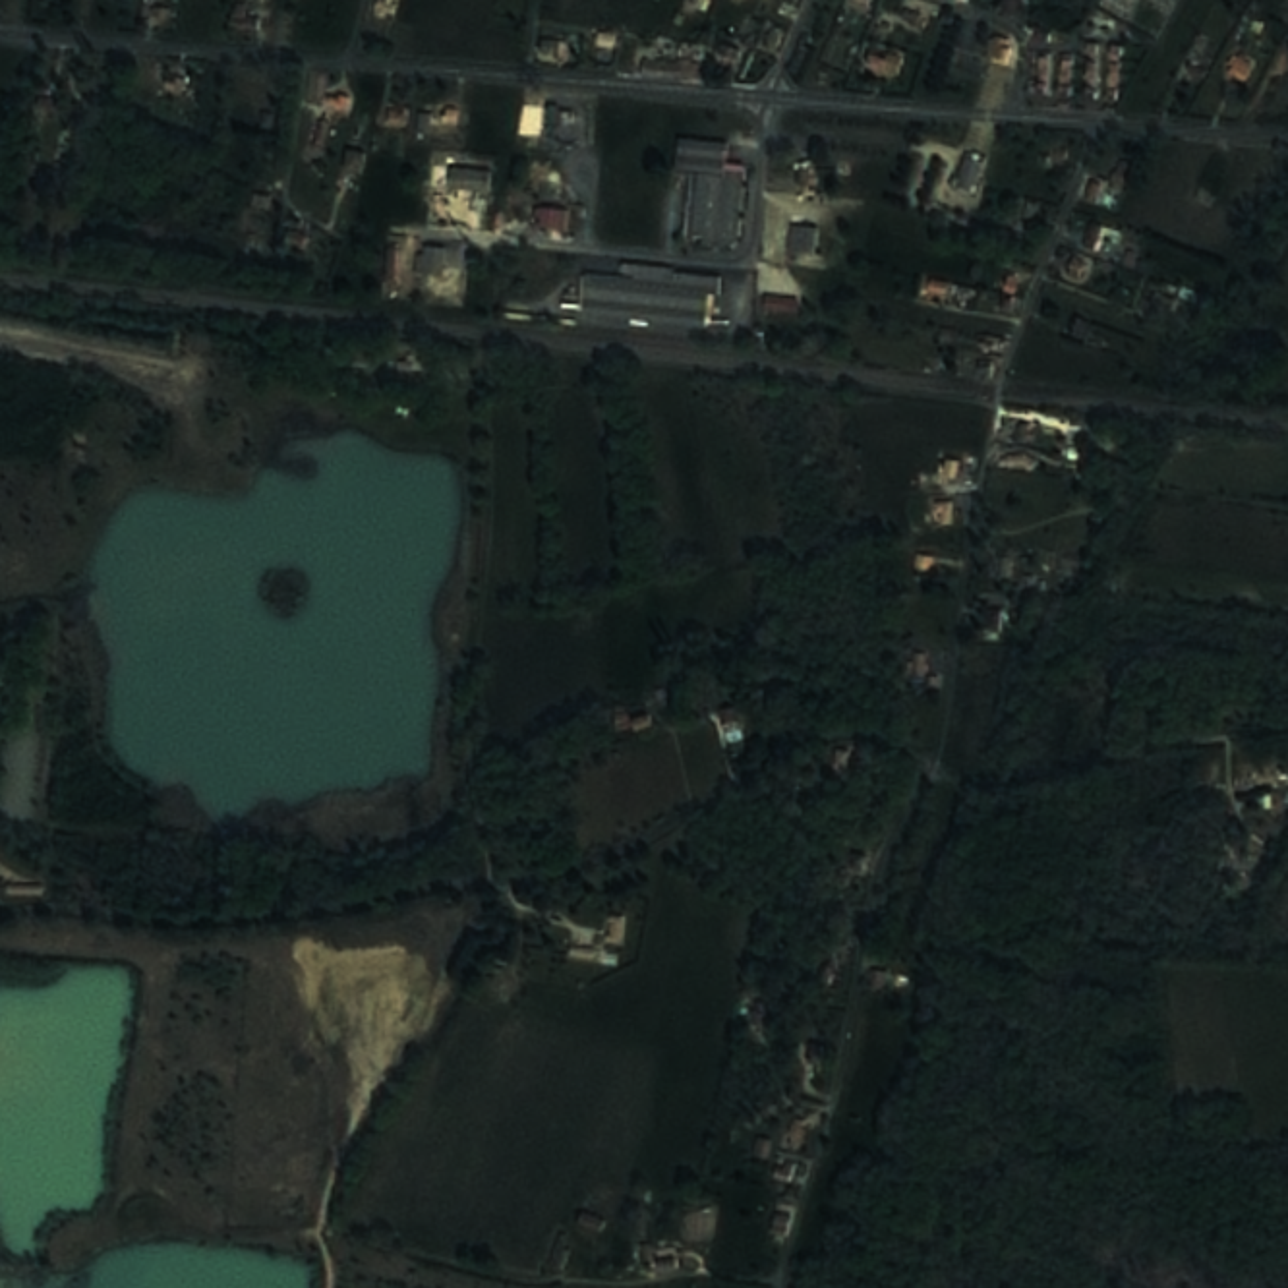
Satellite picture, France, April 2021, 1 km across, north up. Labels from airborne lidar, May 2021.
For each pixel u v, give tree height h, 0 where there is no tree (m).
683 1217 0
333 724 0
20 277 0
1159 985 13
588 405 0
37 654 20
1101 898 15
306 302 11
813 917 17
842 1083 0
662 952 0
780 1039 8
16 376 14
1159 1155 14
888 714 15
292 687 0
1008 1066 21
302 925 7
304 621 0
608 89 0
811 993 18
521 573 0
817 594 16
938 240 17
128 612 0
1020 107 0
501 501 0
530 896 16
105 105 14
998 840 18
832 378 0
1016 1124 22
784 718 15
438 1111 0
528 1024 0
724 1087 12
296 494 0
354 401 21
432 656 0
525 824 13
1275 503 6
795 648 12
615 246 0
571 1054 0
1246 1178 14
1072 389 0
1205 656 22
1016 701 16
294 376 19
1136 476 12
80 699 9
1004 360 0
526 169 11
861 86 8
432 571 0
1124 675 18
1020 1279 10
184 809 0
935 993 21
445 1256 0
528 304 0
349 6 0
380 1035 0
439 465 0
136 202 10
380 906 15
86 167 20
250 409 0
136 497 0
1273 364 26
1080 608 11
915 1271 16
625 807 0
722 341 9
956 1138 26
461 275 0
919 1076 19
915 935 17
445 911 0
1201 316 22
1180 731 21
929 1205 23
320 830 0
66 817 15
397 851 12
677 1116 0
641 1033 0
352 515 0
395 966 0
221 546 0
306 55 0
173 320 9
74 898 6
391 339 21
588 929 0
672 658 21
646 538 21
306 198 0
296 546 0
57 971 8
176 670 0
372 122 0
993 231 10
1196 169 0
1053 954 12
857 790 19
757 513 0
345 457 0
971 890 23
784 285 0
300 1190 0
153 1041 0
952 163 0
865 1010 0
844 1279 16
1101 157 14
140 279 11
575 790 14
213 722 0
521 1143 0
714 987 0
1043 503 0
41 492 0
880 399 10
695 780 0
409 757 0
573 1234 0
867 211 0
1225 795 8
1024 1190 14
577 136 0
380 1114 17
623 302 0
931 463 0
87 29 0
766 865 10
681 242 8
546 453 16
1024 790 18
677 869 15
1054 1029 13
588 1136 0
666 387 0
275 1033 0
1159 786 10
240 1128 0
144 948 0
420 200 0
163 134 19
